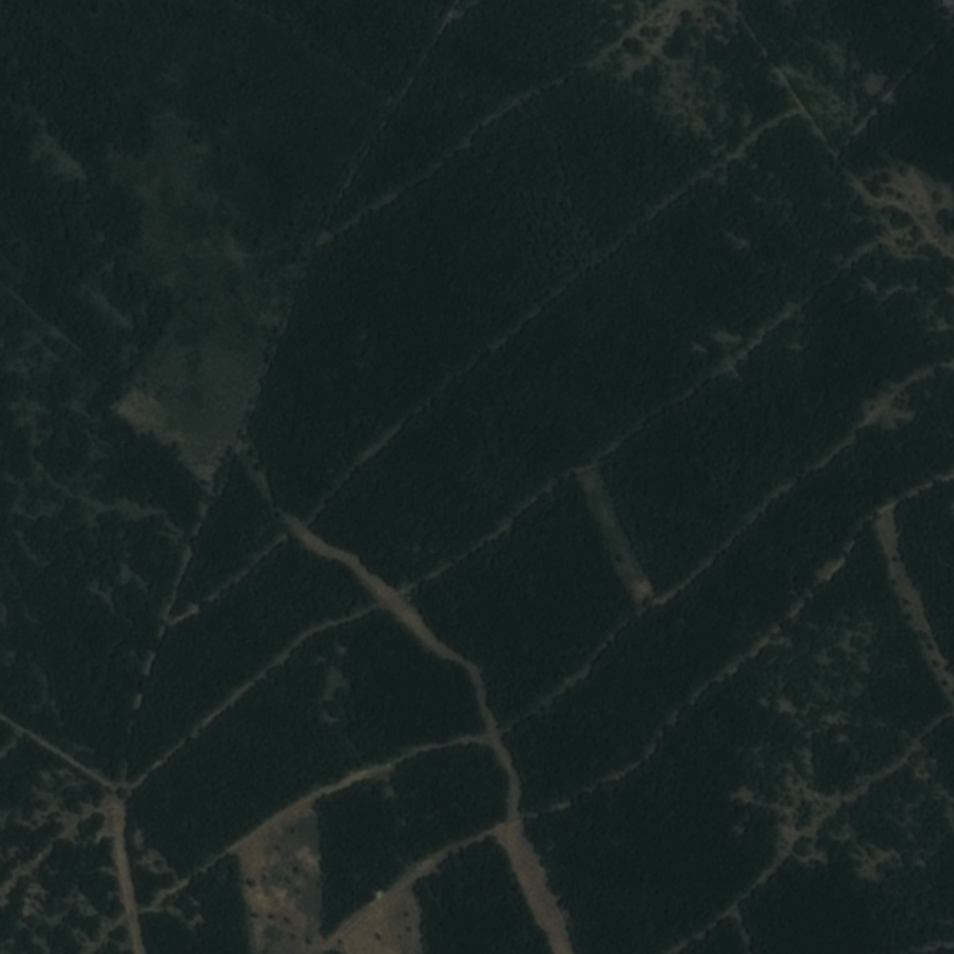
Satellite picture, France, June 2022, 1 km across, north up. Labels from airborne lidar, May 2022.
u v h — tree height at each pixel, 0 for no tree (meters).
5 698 9
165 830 10
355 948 0
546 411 13
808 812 8
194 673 12
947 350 8
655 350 10
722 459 14
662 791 13
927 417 7
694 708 11
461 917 11
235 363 0
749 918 12
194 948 7
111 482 10
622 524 11
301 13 12
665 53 7
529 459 11
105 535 6
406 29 13
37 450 7
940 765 6
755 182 11
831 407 10
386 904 0
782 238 13
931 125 16
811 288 6
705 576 11
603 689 10
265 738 11
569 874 10
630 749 14
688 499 11
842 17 14
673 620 12
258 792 11
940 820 7
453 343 13
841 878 12
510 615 12
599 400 10
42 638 10
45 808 9
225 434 0
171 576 9
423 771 11
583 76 11
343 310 12
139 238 15
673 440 13
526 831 8
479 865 7
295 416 12
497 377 9
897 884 9
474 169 13
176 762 12
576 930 8
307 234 13
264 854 0
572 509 13
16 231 11
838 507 13
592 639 12
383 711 11
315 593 12
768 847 9
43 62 14
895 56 15
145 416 0
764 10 10
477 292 11
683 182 10
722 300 12
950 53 13
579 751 13
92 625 9
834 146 8
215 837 11
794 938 13
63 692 12
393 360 12
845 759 9
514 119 10
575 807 11
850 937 12
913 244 7
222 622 11
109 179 15
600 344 8
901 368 10
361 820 11
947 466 8
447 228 11
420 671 11
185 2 13
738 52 8
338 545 9
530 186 13
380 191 10
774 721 7
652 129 10
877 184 7
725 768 11
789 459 7
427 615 10
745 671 10
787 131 7
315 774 9
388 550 8
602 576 14
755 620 11
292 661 6
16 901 10
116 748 11
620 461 13
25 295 12
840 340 11
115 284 9
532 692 11
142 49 11
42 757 10
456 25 10
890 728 6
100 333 11
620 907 12
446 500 13
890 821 6
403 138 11
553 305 12
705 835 13
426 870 0
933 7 14
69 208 12
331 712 8
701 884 12
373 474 9
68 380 6
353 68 12
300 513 12
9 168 11
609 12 8
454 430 11
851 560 8
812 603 9
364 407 12
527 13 11
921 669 11
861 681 6
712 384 15
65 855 9
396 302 12
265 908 0
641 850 12
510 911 11
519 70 10
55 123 9
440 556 7
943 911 8
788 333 9
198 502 8
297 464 12
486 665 7
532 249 12
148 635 13
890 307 10
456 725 10
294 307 8
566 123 12
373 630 13
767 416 10
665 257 11
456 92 9
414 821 9
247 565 11
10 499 9
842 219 8
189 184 0
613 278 10
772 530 11
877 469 9
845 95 7
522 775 8
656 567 12
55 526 11
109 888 7
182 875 9
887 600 8
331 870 11
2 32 12
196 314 0
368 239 12
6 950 7
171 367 0
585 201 12
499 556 12
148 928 8
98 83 16
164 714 12
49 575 12
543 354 12
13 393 11
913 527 11
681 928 9
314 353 11
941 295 9
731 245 8
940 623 12
